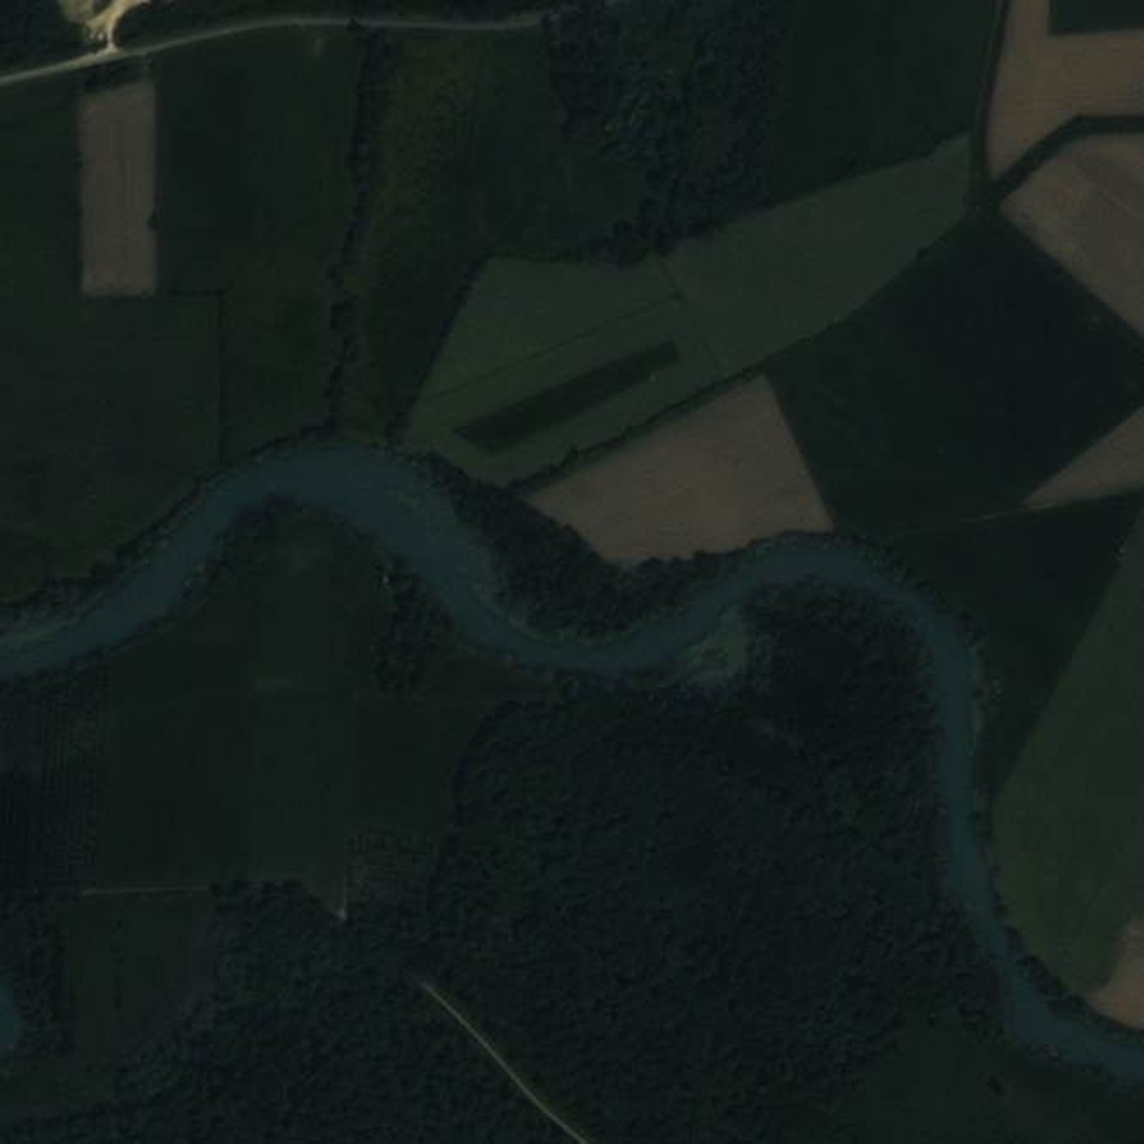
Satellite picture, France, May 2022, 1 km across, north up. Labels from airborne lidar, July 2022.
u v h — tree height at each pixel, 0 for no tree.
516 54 0
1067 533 0
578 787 20
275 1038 26
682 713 37
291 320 0
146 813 0
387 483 0
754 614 20
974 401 0
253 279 0
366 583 0
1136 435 0
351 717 0
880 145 0
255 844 0
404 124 0
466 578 0
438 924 21
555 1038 24
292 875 0
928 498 0
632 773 21
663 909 24
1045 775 0
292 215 0
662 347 0
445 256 0
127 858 0
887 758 10
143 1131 25
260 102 0
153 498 0
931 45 0
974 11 0
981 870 0
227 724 0
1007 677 0
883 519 0
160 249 0
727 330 0
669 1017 22
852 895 26
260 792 0
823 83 0
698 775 26
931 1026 9
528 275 0
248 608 0
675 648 0
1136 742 0
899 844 14
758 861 24
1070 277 0
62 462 0
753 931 25
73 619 13
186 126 0
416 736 0
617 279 0
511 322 0
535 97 0
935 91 0
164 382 0
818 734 19
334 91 0
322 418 0
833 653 19
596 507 0
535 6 21
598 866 23
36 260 0
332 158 0
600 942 27
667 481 0
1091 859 0
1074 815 0
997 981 21
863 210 0
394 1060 23
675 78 0
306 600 0
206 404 0
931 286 0
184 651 0
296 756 0
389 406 0
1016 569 0
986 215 0
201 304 0
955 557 0
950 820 0
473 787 22
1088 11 0
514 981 26
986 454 0
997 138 0
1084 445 0
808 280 0
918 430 0
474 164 0
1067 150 0
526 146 0
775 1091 11
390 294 0
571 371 0
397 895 14
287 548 0
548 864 21
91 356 0
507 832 21
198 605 15
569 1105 24
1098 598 0
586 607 19
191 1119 26
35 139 0
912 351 0
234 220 0
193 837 0
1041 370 0
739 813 20
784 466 0
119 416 0
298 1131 25
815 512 0
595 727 23
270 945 16
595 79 18
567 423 0
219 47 0
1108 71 0
